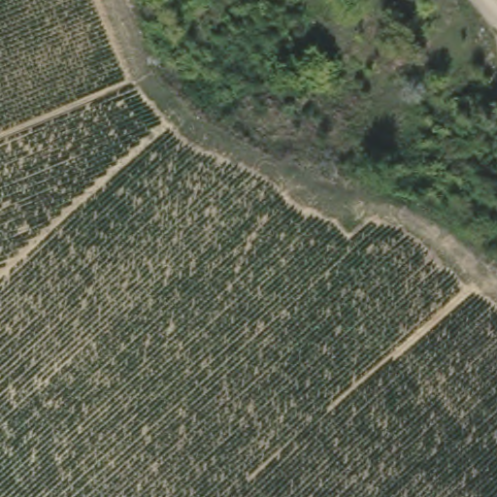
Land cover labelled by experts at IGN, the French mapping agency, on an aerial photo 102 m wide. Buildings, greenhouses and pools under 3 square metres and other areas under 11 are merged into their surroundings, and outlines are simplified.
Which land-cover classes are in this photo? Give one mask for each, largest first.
<instances>
[{"label":"vineyard","instance_id":"1","mask_svg":"<svg viewBox=\"0 0 497 497\"><path fill-rule=\"evenodd\" d=\"M173 122L167 120L159 105L144 91L142 82H136L132 72L122 76L115 54L109 47L105 29L91 0H0V497H497V311L478 295H474L478 291L476 283L458 285L448 272H439L433 262H425L419 245L404 237L400 229L369 223L355 237L344 239L334 225L324 223L316 217L301 215L293 208H289L283 202L282 196L268 182L260 181L258 177L245 173L229 163L217 165L212 157L184 148L181 142L173 138L171 132H167Z\"/></svg>","mask_w":497,"mask_h":497},{"label":"herbaceous vegetation","instance_id":"2","mask_svg":"<svg viewBox=\"0 0 497 497\"><path fill-rule=\"evenodd\" d=\"M105 29L109 47L115 54L122 76L132 72L136 82H142L144 91L159 105L167 120L173 122L167 132H171L173 138L181 142L184 148L212 157L217 165L229 163L245 173L258 177L260 181L268 182L282 196L283 202L289 208H293L301 215L316 217L324 223L334 225L344 239L355 237L369 223L400 229L404 237L419 245L425 262H433L439 272H448L458 285L476 283L478 291L474 295H478L497 311V266L485 260V254L474 256L470 248L460 245L445 229L429 223L425 217L410 212L408 208L377 204L375 200L379 194L371 192L361 182L338 173V163H349L357 169L371 167V163H382L388 167L400 165L404 161V155L400 153L396 144V134L402 140L425 142L419 128L425 126L423 118L427 115L419 101L425 95V87L421 83L406 80L402 70L404 62L400 58H390L381 54V50L375 47L377 39V19L363 17L355 25L336 23L330 29V33L334 35L336 45L342 50V60H330L332 66L328 91H295L293 95H276L272 91L245 93L229 101L227 105L215 103L210 107H196L181 95V82L184 78L175 70H171L167 64L153 58L146 49L144 33L138 29L136 23L138 16L134 12L132 0H91ZM382 8L392 10L394 21L412 29L414 43L417 47L427 45L433 50L447 49L450 60L464 56L470 60L474 50L481 47L489 66L497 68V29L483 19L478 8L470 0H381Z\"/></svg>","mask_w":497,"mask_h":497},{"label":"brushwood","instance_id":"3","mask_svg":"<svg viewBox=\"0 0 497 497\"><path fill-rule=\"evenodd\" d=\"M134 12L138 16L136 23L138 29L144 33L146 49L153 58L167 64L171 70H175L184 78L181 82V95L196 107H210L215 103L227 105L229 101L245 93L272 91L276 95H293L295 91L289 87L291 78H297L303 70H320L324 62L330 60H342V50L336 45L334 35L330 33V29L336 23L330 6L322 0H132ZM375 47L381 50V54L390 58H400L404 62L402 70L406 80L421 83L425 87V95L419 101L427 115L423 118L425 126L419 128L425 142L402 140L396 134V144L400 153L404 155V161L400 165L388 167L382 163H371V167L357 169L349 163H338V173L361 182L371 192L379 194L375 200L377 204L408 208L410 212L425 217L429 223L445 229L460 245L470 248L474 256L485 254V260L497 266V68L489 66L481 47L474 50L470 60L464 56L450 60L447 49L433 50L427 45L417 47L414 43H404L402 50L396 54L394 45L377 39Z\"/></svg>","mask_w":497,"mask_h":497},{"label":"deciduous trees","instance_id":"4","mask_svg":"<svg viewBox=\"0 0 497 497\"><path fill-rule=\"evenodd\" d=\"M330 6L336 23L355 25L363 17L377 19V39L394 45L396 54L402 50L404 43H414L412 29L394 21L392 10L382 8L381 0H322ZM332 66L330 60L324 62L320 70H303L297 78H291L289 87L295 91H328Z\"/></svg>","mask_w":497,"mask_h":497},{"label":"pervious surface","instance_id":"5","mask_svg":"<svg viewBox=\"0 0 497 497\"><path fill-rule=\"evenodd\" d=\"M478 8L483 19L497 29V0H470Z\"/></svg>","mask_w":497,"mask_h":497}]
</instances>
